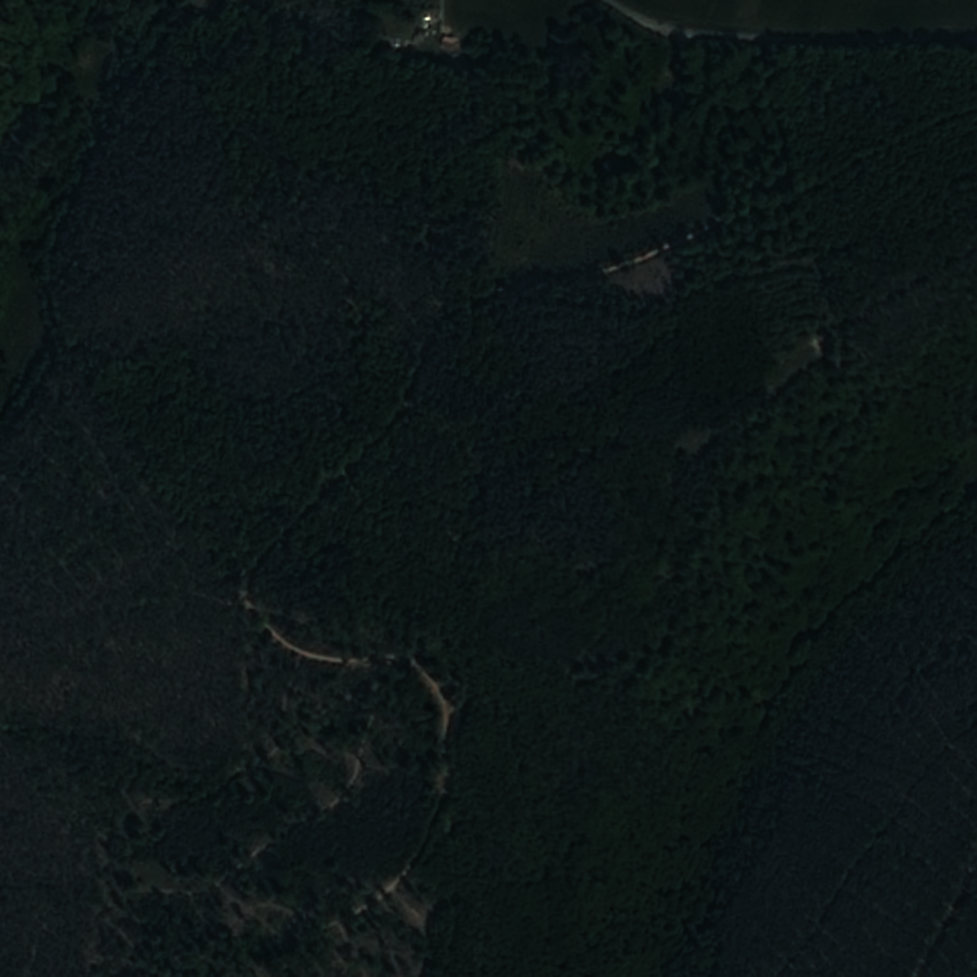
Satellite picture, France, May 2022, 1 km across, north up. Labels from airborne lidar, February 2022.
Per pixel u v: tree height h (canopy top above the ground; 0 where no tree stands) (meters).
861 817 18
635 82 32
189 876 6
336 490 22
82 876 20
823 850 19
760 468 8
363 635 26
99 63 0
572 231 0
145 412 21
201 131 24
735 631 35
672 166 29
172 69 31
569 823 19
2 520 21
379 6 24
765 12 0
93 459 24
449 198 22
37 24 36
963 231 21
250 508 23
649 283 0
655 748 21
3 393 6
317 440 24
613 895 22
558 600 15
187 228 22
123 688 22
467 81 32
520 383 30
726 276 7
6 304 0
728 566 24
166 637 19
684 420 16
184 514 22
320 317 25
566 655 14
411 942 27
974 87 28
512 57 22
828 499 37
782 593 36
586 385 15
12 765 21
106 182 26
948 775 20
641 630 8
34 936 18
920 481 15
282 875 31
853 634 23
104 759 22
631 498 14
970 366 28
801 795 23
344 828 9
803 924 19
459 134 27
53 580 23
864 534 16
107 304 24
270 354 21
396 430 19
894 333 25
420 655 6
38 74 34
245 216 25
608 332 32
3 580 24
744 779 24
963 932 18
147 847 9
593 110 31
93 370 26
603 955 23
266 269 23
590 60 32
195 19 25
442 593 21
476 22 0
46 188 29
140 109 24
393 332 23
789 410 23
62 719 23
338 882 8
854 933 20
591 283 22
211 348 25
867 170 21
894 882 20
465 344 24
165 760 26
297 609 17
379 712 26
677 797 23
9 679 19
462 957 17
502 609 15
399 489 19
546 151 29
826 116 35
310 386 33
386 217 29
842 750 24
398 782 9
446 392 24
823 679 24
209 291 24
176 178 22
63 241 23
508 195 0
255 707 23
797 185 31
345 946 0
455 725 7
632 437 15
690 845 25
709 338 0
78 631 17
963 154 25
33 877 22
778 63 26
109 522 22
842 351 23
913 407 27
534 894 18
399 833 10
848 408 15
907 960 17
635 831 23
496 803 18
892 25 0
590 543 24
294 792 6
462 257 35
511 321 33
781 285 11
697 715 31
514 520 23
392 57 22
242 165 24
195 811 7
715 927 25
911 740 19
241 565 26
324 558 25
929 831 16
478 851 16
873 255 23
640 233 0
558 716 14
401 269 23
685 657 32
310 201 31
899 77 28
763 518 12
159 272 21
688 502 15
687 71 30
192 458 22
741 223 26
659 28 0
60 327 27
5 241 27
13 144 39
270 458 25
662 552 14
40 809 19
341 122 26
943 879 14
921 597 22
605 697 15
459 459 20
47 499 22
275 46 35
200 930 7
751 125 10
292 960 25
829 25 0
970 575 22
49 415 26
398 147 26
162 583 18
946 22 0
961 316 28
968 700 19
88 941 18
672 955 23
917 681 18
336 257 25
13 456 24
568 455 22
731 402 11
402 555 16
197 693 21
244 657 13
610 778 17
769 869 23
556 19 0
